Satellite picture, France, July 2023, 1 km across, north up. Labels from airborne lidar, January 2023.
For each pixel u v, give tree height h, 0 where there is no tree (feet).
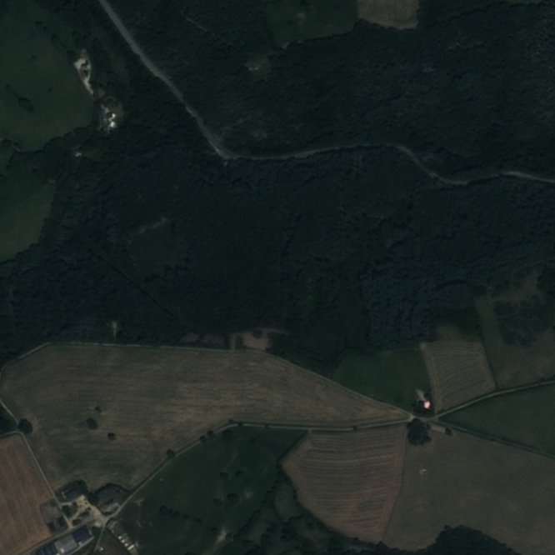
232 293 90
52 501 0
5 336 50
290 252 75
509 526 0
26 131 0
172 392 0
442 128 69
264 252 79
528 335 0
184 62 46
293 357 0
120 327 0
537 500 0
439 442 0
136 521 0
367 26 55
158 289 78
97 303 75
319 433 0
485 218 66
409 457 0
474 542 47
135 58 62
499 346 0
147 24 53
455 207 63
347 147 58
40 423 0
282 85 66
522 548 0
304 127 89
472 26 75
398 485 0
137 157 80
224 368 0
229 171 28
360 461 0
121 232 98
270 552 0
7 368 0
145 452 0
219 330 45
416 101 55
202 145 75
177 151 72
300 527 0
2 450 0
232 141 61
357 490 0
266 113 54
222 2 42
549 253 59
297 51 64
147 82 39
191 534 0
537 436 0
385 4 0
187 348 0
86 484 44
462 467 0
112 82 35
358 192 88
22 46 0
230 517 0
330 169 71
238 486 0
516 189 57
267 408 0
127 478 0
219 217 89
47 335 62
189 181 77
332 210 90
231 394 0
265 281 98
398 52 38
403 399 0
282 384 0
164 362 0
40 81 0
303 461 0
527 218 58
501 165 43
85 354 0
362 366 0
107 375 0
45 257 61
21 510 0
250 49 64
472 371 0
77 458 0
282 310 72
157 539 0
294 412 0
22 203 0
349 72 27
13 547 0
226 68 63
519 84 67
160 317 79
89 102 0
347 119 84
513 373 0
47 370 0
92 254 54
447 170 69
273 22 0
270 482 0
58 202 50
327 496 0
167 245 0
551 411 0
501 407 0
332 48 65
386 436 0
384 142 90
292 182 56
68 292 75
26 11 0
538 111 23
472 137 70
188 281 72
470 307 82
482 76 77
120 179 81
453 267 78
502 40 57
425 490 0
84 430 0
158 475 0
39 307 65
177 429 0
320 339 0
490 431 0
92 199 70
